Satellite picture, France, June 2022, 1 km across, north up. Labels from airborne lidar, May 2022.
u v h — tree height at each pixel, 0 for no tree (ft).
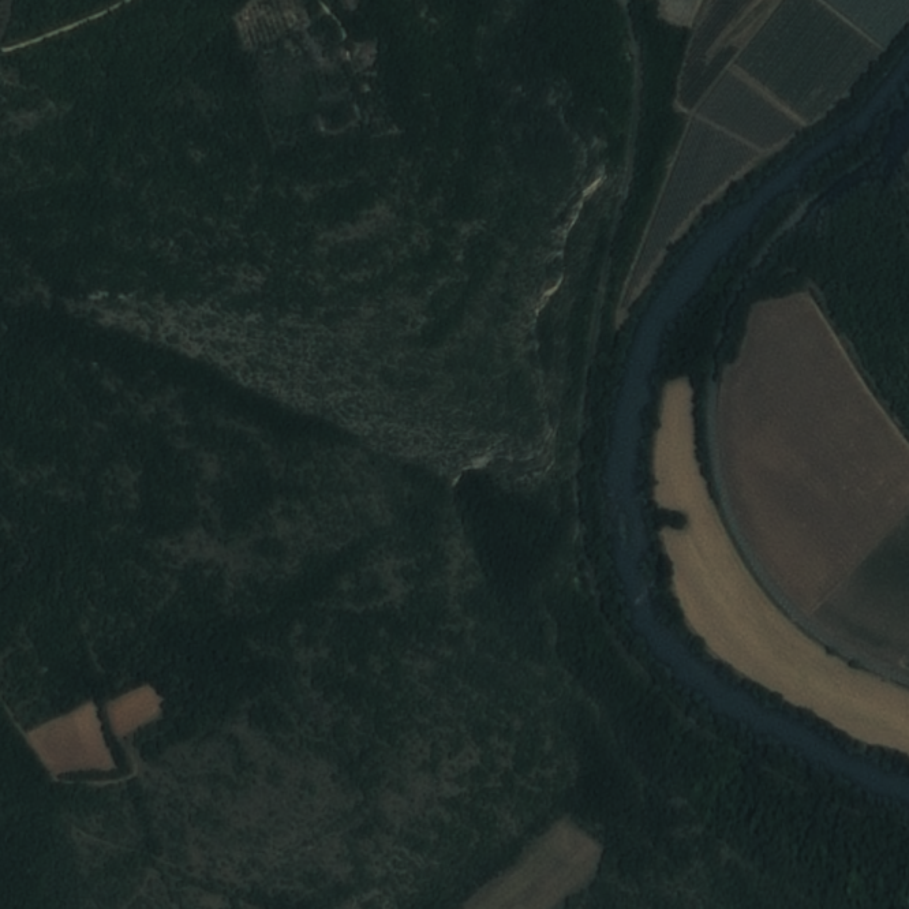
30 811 20
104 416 17
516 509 57
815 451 0
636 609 0
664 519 78
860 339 31
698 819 36
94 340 29
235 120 18
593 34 41
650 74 42
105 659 26
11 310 32
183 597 19
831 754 0
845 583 0
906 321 29
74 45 30
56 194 24
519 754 18
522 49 21
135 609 28
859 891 29
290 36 25
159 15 31
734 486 0
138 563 19
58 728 0
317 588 25
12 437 20
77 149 26
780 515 0
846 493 0
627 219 58
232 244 19
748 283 45
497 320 21
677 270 0
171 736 23
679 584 0
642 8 32
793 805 72
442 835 26
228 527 21
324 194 20
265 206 24
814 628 0
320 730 25
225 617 24
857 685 0
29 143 22
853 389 0
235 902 30
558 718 23
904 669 0
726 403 0
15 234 22
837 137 0
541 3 31
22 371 25
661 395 75
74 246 20
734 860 73
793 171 0
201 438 17
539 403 113
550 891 0
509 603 26
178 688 37
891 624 0
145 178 19
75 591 25
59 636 26
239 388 22
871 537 0
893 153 31
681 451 0
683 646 0
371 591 22
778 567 0
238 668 23
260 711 25
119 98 29
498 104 28
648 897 23
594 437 68
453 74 20
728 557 0
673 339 38
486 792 18
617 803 41
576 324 42
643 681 44
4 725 29
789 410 0
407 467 35
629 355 0
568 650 54
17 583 42
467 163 22
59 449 23
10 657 25
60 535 22
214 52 30
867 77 51
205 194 28
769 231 25
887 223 33
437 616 23
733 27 0
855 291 36
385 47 26
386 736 21
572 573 47
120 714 0
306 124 23
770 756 116
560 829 0
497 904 0
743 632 0
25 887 29
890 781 0
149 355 34
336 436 24
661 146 56
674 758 25
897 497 0
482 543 35
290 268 19
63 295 21
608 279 19
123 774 24
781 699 40
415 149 25
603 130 37
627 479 0
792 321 0
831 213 25
